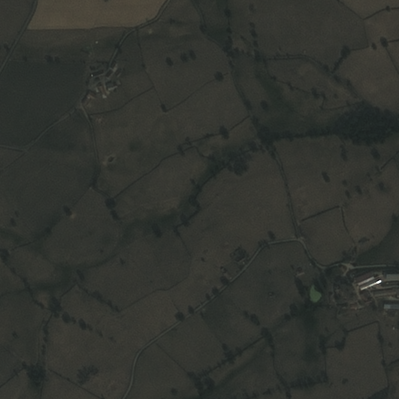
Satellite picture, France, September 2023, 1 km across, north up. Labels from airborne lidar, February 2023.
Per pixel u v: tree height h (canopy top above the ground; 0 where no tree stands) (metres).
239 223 0
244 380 0
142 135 0
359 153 0
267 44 0
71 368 0
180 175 0
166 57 0
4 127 0
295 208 0
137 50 0
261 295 0
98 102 0
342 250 0
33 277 0
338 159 0
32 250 0
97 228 0
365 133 13
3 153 0
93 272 0
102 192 0
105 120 0
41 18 0
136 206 0
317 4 0
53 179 0
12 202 0
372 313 0
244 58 0
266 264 0
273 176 0
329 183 0
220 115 0
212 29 0
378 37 0
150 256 0
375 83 0
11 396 0
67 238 0
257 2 0
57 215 0
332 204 0
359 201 0
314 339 0
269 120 0
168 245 0
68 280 0
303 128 0
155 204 0
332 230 0
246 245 0
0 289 0
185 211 0
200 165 0
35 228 0
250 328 0
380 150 0
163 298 0
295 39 0
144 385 0
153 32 0
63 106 0
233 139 0
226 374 0
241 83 0
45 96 0
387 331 0
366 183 0
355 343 0
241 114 0
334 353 0
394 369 0
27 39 0
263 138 20
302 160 0
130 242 0
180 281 0
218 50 0
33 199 0
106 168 0
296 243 0
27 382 0
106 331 0
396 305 0
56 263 0
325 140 0
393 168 0
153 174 0
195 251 0
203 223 0
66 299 0
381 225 0
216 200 0
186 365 0
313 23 0
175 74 0
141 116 0
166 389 0
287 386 16
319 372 0
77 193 0
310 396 0
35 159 0
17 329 0
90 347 0
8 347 0
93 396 0
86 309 0
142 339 0
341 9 0
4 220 0
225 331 0
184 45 0
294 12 0
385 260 0
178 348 0
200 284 0
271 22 0
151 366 0
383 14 0
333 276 0
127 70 0
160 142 0
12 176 0
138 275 0
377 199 0
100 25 0
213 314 0
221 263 0
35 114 0
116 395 0
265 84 0
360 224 0
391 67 0
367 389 0
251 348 0
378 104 0
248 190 0
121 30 0
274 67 0
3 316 0
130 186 0
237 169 14
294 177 0
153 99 0
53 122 0
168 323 0
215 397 0
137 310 0
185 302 0
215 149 0
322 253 0
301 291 18
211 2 0
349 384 0
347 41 0
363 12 0
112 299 0
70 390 0
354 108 17
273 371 0
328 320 0
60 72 0
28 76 0
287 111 0
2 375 0
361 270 0
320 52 0
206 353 0
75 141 0
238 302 0
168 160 0
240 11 0
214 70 0
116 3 0
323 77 0
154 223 0
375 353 0
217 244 0
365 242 0
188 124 0
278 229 0
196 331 0
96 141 0
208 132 0
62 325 0
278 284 0
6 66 0
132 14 0
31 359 0
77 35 0
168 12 0
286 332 0
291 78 0
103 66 0
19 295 0
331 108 0
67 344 0
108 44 0
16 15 0
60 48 0
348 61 0
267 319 0
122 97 0
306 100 0
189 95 0
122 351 0
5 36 0
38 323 0
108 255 0
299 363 0
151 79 0
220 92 0
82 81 0
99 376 0
